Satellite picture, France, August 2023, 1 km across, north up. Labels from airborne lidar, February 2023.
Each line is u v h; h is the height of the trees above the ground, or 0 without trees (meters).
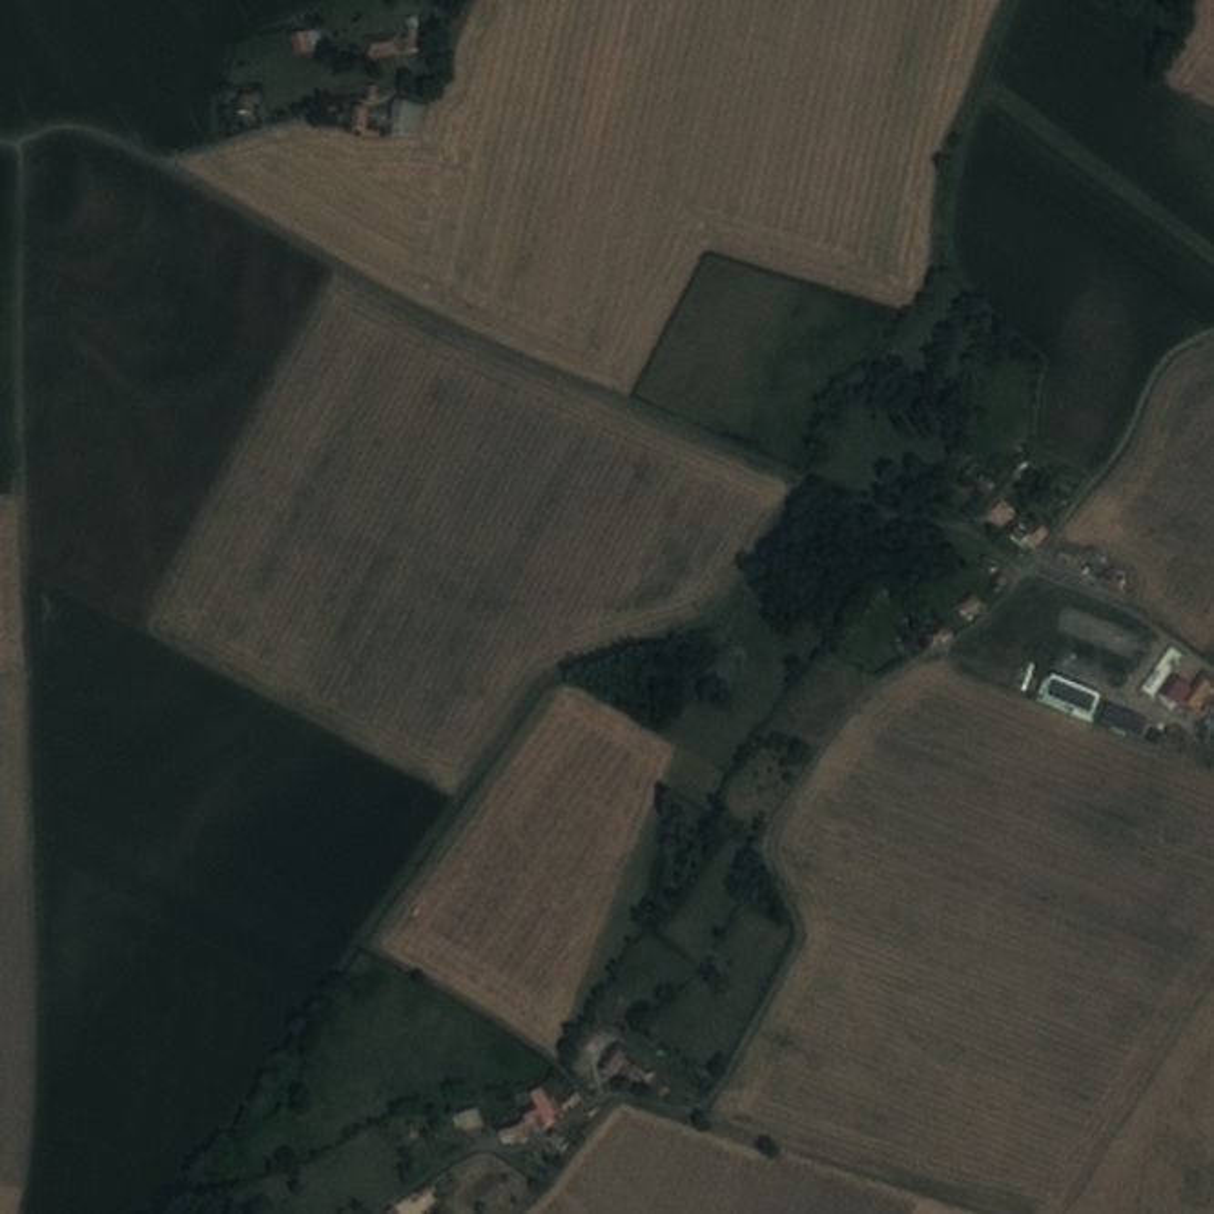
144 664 0
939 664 0
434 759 0
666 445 0
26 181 0
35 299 0
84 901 0
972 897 0
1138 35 0
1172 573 0
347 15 0
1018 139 0
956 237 0
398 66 0
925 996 0
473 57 0
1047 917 0
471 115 0
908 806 0
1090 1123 0
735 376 0
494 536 0
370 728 0
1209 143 0
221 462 0
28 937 0
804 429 0
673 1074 0
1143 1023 0
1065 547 0
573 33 0
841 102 0
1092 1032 0
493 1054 0
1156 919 0
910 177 0
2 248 0
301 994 0
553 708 0
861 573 20
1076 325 0
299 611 0
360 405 0
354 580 0
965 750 0
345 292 0
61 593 0
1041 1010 0
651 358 0
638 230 0
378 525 0
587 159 0
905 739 0
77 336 0
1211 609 0
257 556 0
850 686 0
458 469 0
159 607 0
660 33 0
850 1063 0
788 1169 0
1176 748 0
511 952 0
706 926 0
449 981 0
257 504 0
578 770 0
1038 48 0
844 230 0
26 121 0
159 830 0
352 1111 0
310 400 0
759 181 0
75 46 0
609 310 0
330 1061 0
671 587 0
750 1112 0
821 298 0
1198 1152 0
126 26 0
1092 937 0
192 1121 0
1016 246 0
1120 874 0
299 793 0
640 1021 15
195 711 0
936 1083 0
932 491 19
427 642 0
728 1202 0
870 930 0
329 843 0
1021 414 0
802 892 0
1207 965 0
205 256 0
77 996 0
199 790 0
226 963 0
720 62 0
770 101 0
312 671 0
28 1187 0
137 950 0
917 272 0
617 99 0
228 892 0
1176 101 0
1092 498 0
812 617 35
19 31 0
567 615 0
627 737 0
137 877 0
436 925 0
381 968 0
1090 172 0
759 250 0
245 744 0
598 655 0
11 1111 0
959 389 7
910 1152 0
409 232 0
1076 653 0
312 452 0
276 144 0
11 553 0
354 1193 0
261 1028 0
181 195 0
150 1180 0
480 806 0
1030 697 0
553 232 0
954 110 0
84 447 0
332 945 0
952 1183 0
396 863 0
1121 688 0
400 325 0
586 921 0
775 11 0
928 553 20
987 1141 0
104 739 0
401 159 0
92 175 0
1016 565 0
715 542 0
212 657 0
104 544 0
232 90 13
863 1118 0
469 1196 0
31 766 0
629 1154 0
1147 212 0
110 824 0
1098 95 0
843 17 0
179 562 0
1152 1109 0
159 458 0
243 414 0
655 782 0
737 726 0
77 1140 0
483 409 0
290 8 0
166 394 0
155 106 0
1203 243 0
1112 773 0
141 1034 0
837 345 0
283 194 0
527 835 0
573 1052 14
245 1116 9
